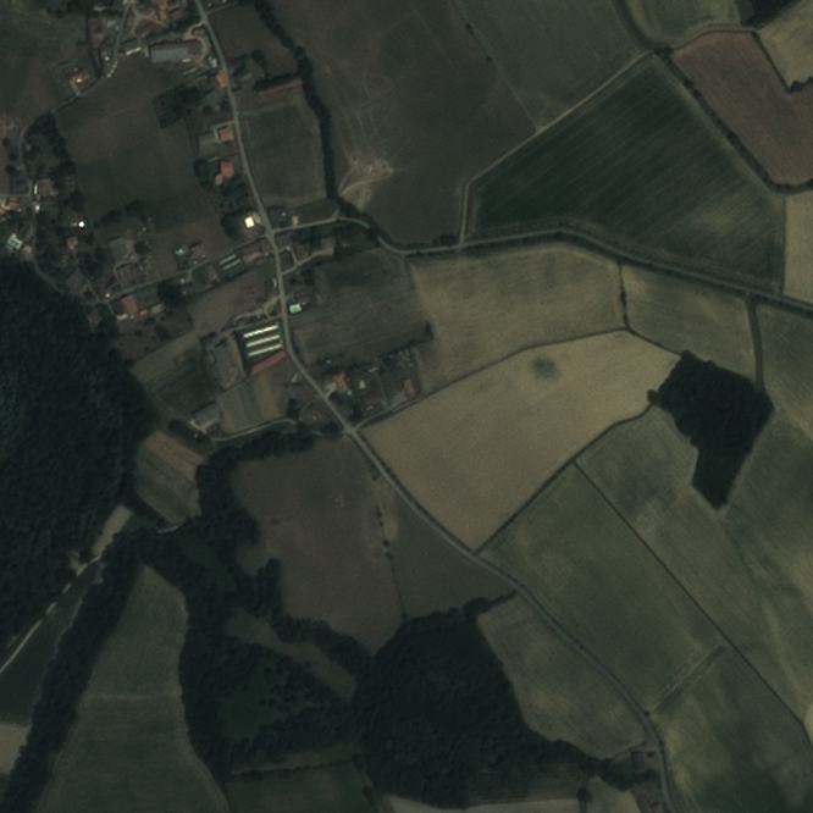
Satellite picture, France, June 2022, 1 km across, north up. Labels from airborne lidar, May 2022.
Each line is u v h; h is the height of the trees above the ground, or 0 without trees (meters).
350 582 0
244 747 13
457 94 0
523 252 0
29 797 21
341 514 0
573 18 0
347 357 0
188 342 0
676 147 0
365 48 0
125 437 20
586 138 0
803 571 0
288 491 0
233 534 12
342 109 0
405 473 0
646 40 0
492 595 0
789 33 0
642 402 0
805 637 0
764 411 7
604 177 0
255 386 0
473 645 10
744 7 0
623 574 0
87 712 0
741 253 0
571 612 0
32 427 24
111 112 0
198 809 0
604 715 0
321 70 0
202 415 0
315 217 0
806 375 0
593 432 0
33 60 0
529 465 0
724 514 0
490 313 0
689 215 0
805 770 0
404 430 0
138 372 0
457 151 0
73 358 24
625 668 0
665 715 0
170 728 0
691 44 0
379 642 0
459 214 0
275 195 0
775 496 0
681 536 0
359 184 0
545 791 0
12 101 0
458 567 0
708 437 15
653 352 0
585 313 0
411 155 0
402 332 0
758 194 0
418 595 0
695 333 0
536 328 0
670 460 0
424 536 0
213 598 22
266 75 8
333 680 0
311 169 0
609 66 0
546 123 0
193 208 0
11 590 18
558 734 0
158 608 0
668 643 0
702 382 14
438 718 15
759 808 0
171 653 0
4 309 23
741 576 0
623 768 0
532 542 0
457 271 0
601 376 0
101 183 0
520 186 0
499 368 0
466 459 0
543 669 0
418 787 12
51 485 32
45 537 21
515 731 14
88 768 0
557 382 0
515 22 0
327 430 16
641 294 0
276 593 18
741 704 0
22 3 0
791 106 0
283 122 0
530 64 0
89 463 12
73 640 26
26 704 0
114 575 20
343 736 24
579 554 0
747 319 0
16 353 11
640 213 0
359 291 0
